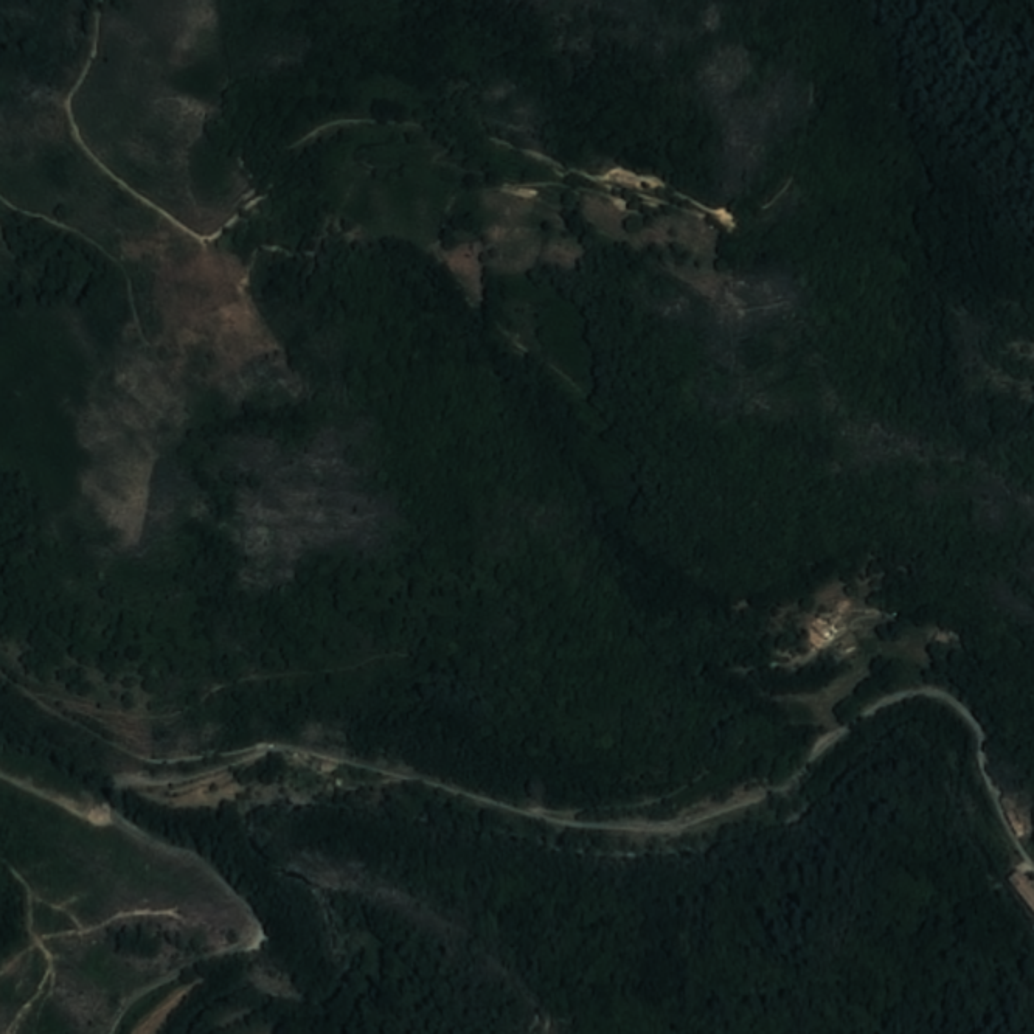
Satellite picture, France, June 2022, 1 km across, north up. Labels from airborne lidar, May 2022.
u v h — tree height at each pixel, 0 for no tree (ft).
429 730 51
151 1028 0
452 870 62
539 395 69
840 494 42
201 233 0
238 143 34
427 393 68
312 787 28
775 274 0
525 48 32
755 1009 71
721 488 34
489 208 0
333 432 0
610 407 55
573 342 0
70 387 0
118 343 0
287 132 26
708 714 35
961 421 43
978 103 100
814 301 23
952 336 32
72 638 36
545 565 47
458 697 123
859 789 64
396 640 49
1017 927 44
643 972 74
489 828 70
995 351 27
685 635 51
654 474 39
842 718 50
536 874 49
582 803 31
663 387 47
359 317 39
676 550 52
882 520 42
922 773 20
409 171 40
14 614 40
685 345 0
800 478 52
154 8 0
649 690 32
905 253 54
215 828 59
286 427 21
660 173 44
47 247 37
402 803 71
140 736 0
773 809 36
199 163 0
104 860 0
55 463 0
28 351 0
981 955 69
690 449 41
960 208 62
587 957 45
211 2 0
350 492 0
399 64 33
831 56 50
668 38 0
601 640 50
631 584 65
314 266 33
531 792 88
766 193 24
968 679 46
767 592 61
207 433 26
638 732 36
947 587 53
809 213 53
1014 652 57
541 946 31
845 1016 33
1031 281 28
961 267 53
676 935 67
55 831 0
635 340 42
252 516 0
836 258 51
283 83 44
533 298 0
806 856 54
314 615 54
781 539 51
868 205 56
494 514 24
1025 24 26
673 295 0
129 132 0
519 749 27
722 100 0
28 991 0
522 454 45
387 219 0
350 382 33
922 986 41
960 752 23
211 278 0
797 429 36
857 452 0
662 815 28
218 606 21
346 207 0
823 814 58
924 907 28
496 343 39
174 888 0
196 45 0
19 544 44
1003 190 69
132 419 0
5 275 0
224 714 48
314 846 27
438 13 30
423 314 37
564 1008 42
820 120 37
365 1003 48
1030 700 45
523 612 35
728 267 34
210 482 22
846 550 58
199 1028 53
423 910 22
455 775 33
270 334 0
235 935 50
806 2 71
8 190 0
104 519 0
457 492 42
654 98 39
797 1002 78
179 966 23
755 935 42
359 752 32
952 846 43
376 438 25
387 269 54
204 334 0
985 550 37
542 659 37
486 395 63
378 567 42
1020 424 53
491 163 26
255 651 36
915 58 137
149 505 0
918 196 71
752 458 44
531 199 0
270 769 38
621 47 28
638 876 61
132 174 0
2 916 24
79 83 0
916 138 73
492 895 31
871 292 49
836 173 48
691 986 91
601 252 24
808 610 41
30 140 0
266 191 32
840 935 50
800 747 45
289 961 24
